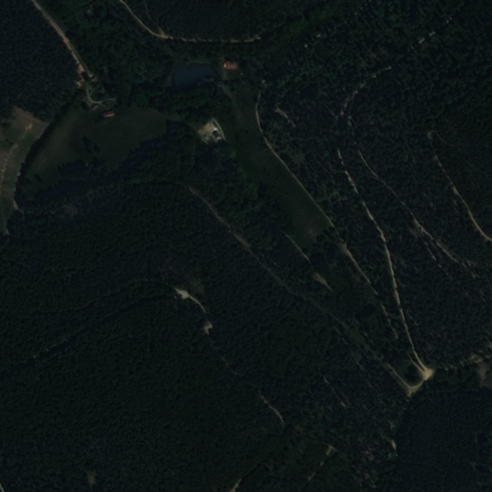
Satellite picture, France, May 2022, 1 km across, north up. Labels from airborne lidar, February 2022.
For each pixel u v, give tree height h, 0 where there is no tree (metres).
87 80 22
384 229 27
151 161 29
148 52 24
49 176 0
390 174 30
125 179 20
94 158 0
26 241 28
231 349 31
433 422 18
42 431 24
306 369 21
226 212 25
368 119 32
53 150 0
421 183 28
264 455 14
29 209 26
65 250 25
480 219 9
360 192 20
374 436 33
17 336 27
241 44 8
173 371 21
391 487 16
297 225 0
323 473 7
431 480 15
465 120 26
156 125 0
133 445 19
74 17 26
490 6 13
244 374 30
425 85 34
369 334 28
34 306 24
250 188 32
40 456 26
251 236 26
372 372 30
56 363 29
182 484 18
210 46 9
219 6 13
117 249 21
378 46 27
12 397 22
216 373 25
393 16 30
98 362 26
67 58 35
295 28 29
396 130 21
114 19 35
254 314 34
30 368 25
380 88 10
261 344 25
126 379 25
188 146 29
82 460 11
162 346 25
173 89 9
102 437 21
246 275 33
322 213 0
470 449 21
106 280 16
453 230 27
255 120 0
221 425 21
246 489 12
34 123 0
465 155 19
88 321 24
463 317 24
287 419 19
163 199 22
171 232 28
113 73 25
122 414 22
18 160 0
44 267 25
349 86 35
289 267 25
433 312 25
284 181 0
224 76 0
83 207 25
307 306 24
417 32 29
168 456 22
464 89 31
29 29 29
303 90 7
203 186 29
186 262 18
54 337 23
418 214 28
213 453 21
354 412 26
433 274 21
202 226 28
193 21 14
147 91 30
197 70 0
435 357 22
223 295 32
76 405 23
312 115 30
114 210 23
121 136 0
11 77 29
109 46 9
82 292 22
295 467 7
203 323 18
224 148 28
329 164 32
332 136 24
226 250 30
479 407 23
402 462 15
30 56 31
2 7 31
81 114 0
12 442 26
